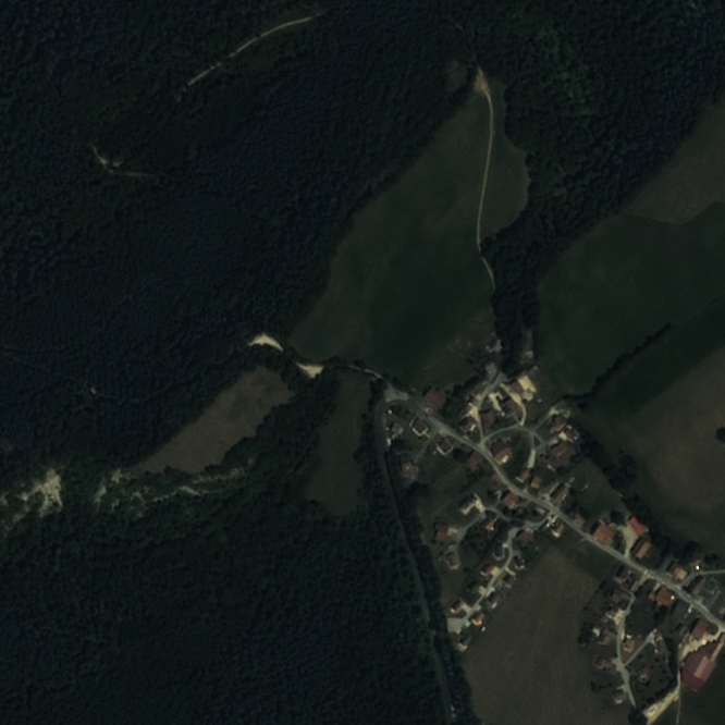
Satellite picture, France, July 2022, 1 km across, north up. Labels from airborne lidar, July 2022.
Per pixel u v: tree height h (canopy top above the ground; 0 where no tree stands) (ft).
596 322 0
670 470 0
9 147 93
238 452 46
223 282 79
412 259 0
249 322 58
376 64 62
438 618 31
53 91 100
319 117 78
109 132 20
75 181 87
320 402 63
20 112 88
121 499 25
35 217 85
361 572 43
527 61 100
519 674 0
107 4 93
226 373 45
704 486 0
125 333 84
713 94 65
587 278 0
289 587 69
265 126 94
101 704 50
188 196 82
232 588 79
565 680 0
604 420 0
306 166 92
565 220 109
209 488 31
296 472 26
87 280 87
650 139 69
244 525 74
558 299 0
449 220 0
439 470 0
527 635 0
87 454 71
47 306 73
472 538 32
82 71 90
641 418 0
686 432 0
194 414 42
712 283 0
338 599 60
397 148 72
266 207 88
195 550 77
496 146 0
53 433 68
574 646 0
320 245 49
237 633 31
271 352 68
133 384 97
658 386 0
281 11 83
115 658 30
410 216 0
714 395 0
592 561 0
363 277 0
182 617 56
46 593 106
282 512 70
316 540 76
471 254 0
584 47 85
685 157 0
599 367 0
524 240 113
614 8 63
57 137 104
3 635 108
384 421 0
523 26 111
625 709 0
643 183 75
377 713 69
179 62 70
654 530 51
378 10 96
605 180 94
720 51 93
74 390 92
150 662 33
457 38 59
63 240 105
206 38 47
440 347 0
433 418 0
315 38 30
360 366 52
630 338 0
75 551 90
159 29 115
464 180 0
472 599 0
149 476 66
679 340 0
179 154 51
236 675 100
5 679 96
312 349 0
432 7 83
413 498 63
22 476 37
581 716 0
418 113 70
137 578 78
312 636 89
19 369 81
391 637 72
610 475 63
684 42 83
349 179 47
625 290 0
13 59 79
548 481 0
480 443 0
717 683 0
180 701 57
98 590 62
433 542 18
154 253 79
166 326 81
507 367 47
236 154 92
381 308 0
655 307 0
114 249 96
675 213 0
